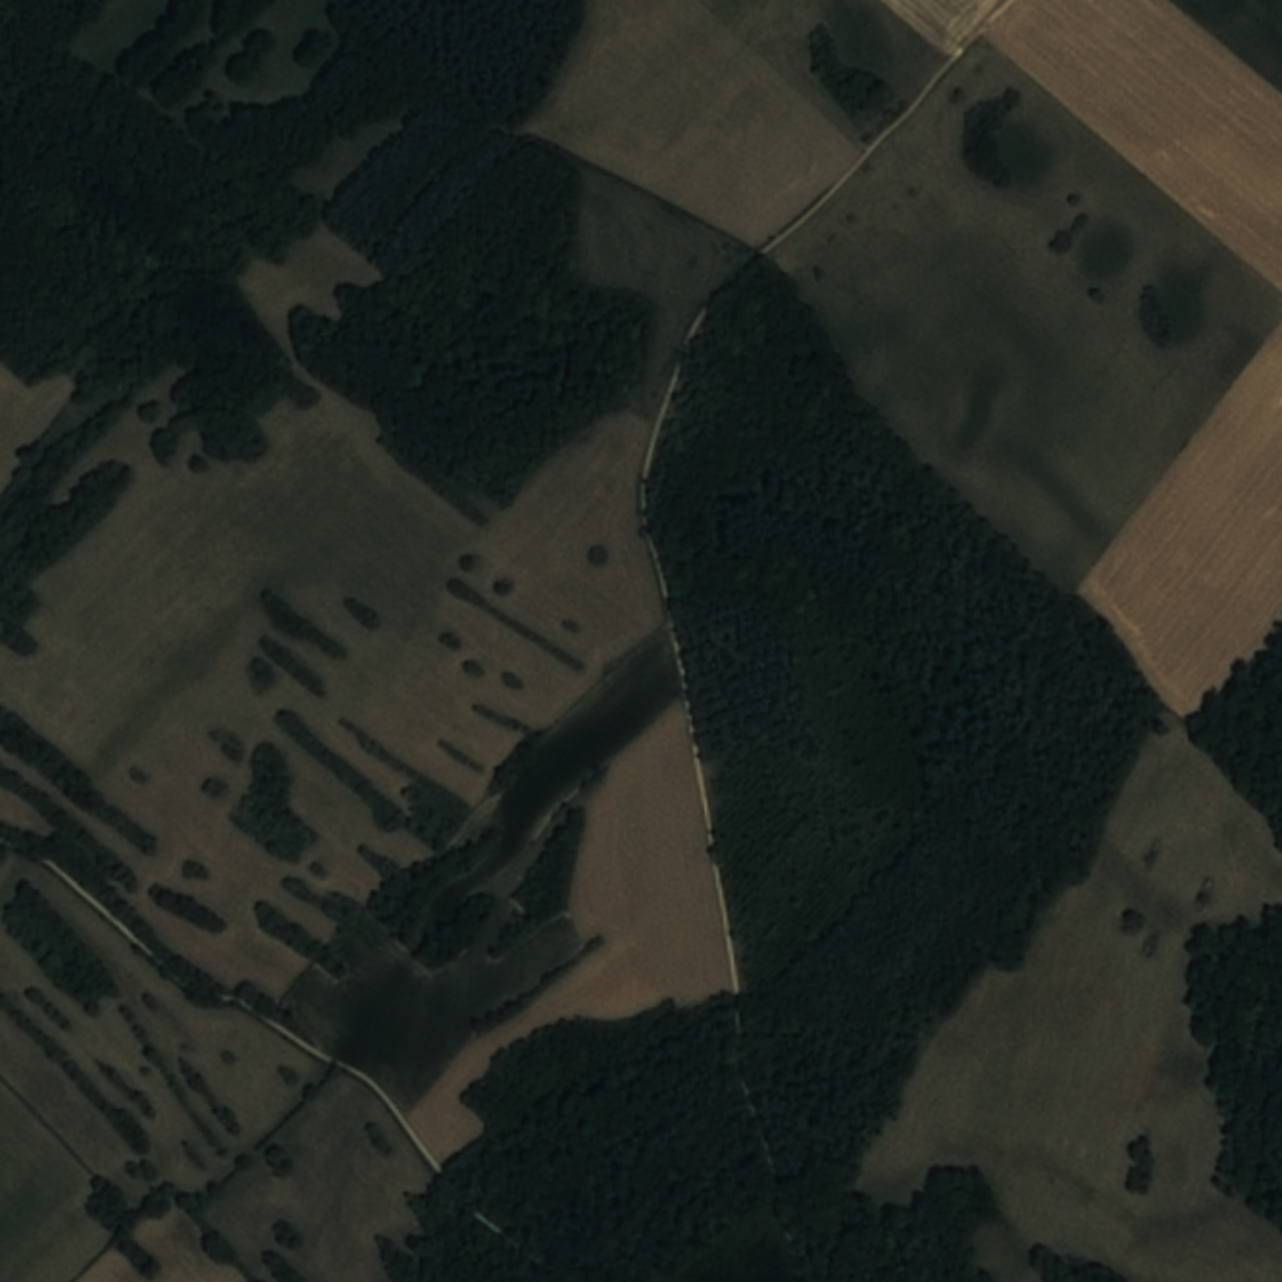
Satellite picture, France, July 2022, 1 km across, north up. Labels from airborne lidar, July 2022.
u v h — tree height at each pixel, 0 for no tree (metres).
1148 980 0
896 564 20
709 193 0
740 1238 0
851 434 21
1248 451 0
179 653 0
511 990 0
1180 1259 0
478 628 0
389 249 13
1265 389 0
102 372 9
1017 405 0
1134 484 0
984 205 0
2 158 13
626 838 0
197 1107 0
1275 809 18
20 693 0
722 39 0
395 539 0
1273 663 19
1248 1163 18
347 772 6
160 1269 11
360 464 0
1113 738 19
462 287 11
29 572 6
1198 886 0
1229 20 0
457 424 18
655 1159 16
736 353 16
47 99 16
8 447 0
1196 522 0
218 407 15
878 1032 13
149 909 0
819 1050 16
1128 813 0
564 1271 21
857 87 9
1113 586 0
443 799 6
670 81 0
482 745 0
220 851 0
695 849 0
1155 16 0
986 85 0
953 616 29
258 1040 0
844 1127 16
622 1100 20
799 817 8
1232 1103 17
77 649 0
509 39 30
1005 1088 0
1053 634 15
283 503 0
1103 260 0
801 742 8
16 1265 0
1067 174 0
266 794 12
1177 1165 0
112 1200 16
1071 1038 0
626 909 0
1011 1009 0
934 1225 19
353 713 0
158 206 25
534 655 0
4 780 12
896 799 6
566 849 8
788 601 17
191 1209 10
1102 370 0
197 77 19
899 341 0
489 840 13
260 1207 0
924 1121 0
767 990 9
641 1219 17
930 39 0
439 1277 17
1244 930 16
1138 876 0
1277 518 0
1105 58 0
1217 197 0
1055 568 0
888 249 0
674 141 0
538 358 15
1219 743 14
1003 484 0
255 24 14
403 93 17
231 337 21
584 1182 18
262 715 0
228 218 9
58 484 6
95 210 14
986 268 0
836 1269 17
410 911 17
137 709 0
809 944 6
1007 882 15
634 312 7
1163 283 0
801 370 21
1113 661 17
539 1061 9
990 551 13
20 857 8
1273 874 0
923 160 0
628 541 0
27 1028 7
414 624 0
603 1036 8
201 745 0
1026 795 16
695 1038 19
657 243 0
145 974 0
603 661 0
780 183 0
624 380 10
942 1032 0
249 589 0
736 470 19
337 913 8
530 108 12
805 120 0
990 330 0
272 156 13
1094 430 0
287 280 0
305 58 17
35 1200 0
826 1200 25
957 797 15
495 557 0
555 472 0
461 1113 0
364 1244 0
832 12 0
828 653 8
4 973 0
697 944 0
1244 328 0
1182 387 0
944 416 0
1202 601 0
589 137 0
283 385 9
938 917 16
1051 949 0
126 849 0
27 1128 0
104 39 0
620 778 0
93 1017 9
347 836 0
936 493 14
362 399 10
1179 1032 0
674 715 0
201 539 0
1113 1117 0
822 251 0
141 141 18
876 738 6
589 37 0
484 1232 16
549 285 15
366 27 16
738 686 8
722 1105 16
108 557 0
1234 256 0
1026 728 16
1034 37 0
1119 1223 0
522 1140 19
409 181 14
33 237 20
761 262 13
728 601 12
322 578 0
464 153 13
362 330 15
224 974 0
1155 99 0
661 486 13
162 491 0
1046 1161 0
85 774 7
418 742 0
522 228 12
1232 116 0
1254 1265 0
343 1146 0
